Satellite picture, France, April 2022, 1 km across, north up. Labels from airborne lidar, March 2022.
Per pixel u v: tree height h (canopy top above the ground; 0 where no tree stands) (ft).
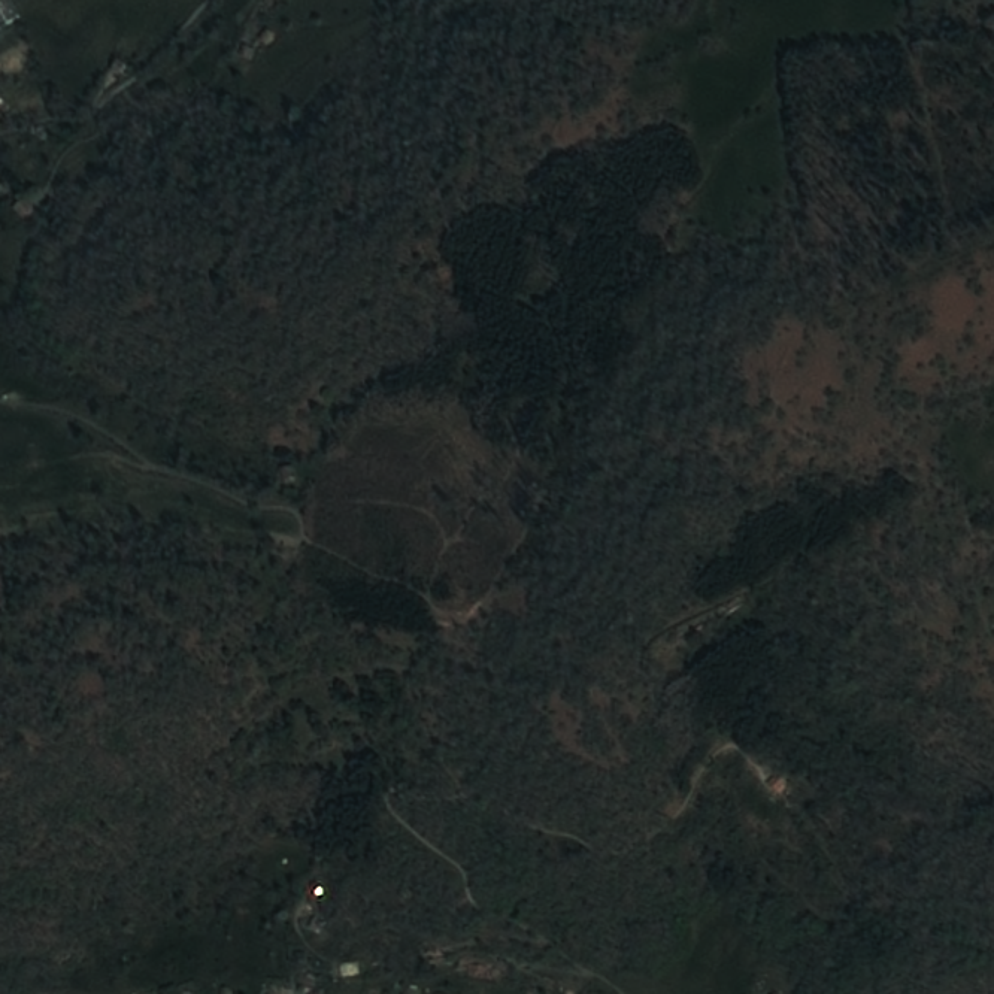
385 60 28
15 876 52
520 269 79
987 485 0
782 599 69
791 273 27
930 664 28
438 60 45
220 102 30
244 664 53
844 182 79
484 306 80
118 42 0
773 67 0
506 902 53
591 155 58
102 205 57
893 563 35
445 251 37
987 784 75
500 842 68
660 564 30
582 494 70
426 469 0
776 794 0
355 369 43
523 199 71
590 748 45
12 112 0
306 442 0
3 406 0
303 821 56
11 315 69
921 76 58
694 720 72
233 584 54
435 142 49
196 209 58
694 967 0
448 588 24
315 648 19
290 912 51
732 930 0
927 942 71
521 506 0
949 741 24
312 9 0
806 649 85
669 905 72
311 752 39
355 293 30
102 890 60
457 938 38
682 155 72
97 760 56
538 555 31
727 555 33
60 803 47
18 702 67
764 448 28
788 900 27
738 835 35
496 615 22
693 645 78
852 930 53
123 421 0
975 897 54
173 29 0
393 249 39
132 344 74
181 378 52
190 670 41
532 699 31
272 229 44
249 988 0
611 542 44
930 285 0
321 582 22
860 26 0
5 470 0
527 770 55
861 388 0
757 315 28
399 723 58
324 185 20
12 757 48
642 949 80
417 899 38
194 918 73
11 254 0
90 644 0
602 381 64
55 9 0
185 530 74
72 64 0
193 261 45
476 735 25
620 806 66
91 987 0
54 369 73
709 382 32
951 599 44
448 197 49
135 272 28
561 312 69
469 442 0
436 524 0
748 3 0
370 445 0
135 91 0
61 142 24
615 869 38
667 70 27
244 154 54
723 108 0
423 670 74
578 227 85
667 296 30
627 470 56
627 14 29
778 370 0
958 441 0
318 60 0
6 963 26
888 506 44
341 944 24
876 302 0
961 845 30
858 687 85
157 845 59
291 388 41
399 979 62
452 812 66
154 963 0
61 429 0
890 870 70
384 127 44
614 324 65
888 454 42
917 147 91
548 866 65
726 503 29
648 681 40
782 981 0
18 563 48
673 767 63
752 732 100
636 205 75
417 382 104
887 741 24
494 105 40
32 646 23
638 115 25
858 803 76
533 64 25
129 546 69
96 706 42
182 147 63
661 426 39
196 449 0
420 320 77
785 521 56
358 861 72
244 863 64
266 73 0
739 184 0
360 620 22
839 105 90
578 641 26
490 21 57
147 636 58
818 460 35
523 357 105
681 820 23
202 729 22
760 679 100
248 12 0
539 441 101
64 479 0
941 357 29
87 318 42
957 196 0
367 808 87
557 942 44
